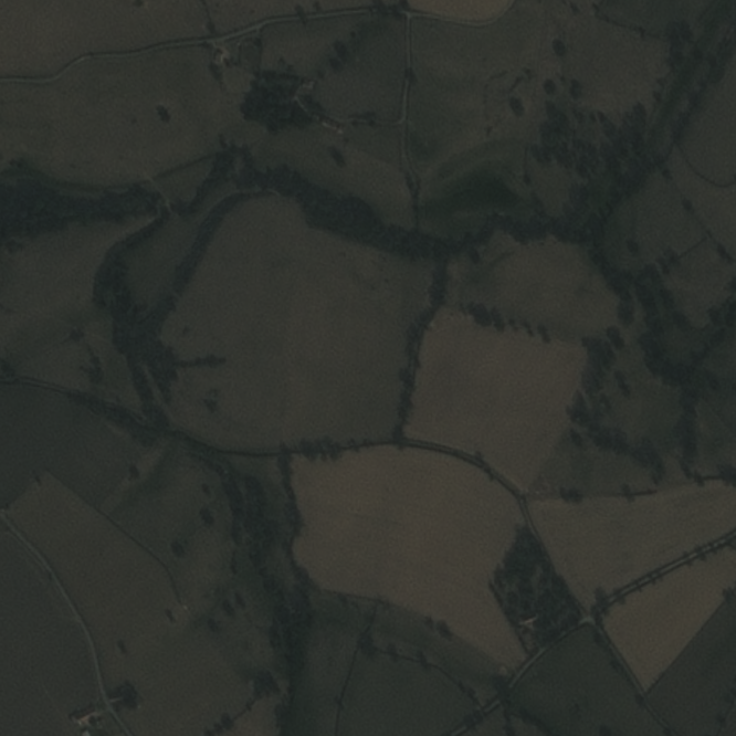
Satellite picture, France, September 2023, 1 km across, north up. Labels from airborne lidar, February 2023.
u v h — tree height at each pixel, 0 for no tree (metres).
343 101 0
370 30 0
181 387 0
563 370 0
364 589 0
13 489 0
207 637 0
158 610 0
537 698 0
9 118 0
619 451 16
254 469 0
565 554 0
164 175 0
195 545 0
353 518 0
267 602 0
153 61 0
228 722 13
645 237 0
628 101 0
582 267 0
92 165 0
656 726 0
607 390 0
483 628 0
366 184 0
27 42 0
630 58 0
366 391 0
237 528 13
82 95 0
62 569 0
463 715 0
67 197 0
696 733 0
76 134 0
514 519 0
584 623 0
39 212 21
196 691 0
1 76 0
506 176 0
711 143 0
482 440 0
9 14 0
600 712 0
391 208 0
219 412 0
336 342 0
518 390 0
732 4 0
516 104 16
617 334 14
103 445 0
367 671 0
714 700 0
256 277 0
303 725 0
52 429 0
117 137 0
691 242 0
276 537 16
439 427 0
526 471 0
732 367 0
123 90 0
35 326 0
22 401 0
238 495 22
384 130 0
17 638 0
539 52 0
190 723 0
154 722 0
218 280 0
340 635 0
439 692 0
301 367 0
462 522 0
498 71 0
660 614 0
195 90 0
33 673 0
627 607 0
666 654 0
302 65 0
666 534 0
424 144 0
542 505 0
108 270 11
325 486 0
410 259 16
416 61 0
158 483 0
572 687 0
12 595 0
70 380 0
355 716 0
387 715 0
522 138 0
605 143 0
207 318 0
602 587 0
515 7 0
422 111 0
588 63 0
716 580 0
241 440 0
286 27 0
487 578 0
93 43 0
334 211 19
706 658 0
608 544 0
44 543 0
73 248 0
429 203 0
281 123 9
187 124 0
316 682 0
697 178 0
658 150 0
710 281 0
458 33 0
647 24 0
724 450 0
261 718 0
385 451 0
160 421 23
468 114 0
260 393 0
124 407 0
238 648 0
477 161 0
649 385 0
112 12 0
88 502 0
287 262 0
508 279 0
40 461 0
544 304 0
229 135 0
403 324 0
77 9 0
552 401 0
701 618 0
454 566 0
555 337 0
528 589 12
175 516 0
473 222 0
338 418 0
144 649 0
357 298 0
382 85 0
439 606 0
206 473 0
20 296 0
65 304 0
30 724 0
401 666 0
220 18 0
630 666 0
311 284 0
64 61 0
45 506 0
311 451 18
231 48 0
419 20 0
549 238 0
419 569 0
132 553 0
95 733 0
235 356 0
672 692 0
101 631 0
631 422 0
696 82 0
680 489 0
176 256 0
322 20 0
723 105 0
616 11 0
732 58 0
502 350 0
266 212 0
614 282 11
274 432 0
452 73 0
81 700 0
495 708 0
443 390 0
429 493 0
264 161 0
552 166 0
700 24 0
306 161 0
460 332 0
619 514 0
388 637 0
